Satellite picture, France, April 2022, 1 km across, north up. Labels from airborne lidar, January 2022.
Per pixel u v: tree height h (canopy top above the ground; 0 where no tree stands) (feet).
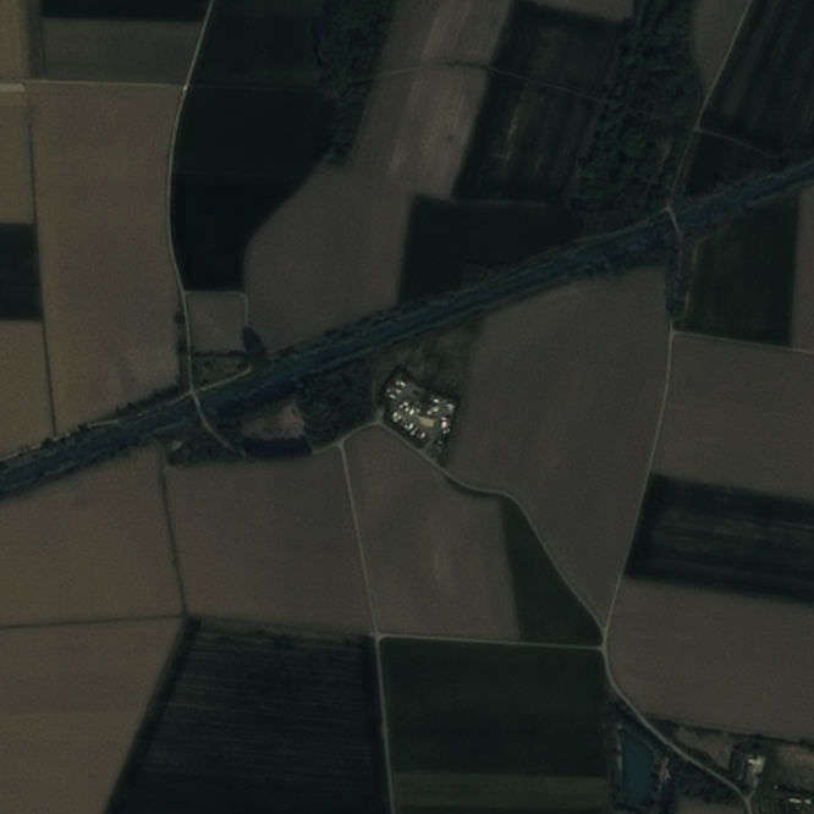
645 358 0
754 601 0
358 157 0
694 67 51
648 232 0
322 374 20
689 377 0
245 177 0
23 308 0
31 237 0
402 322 0
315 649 0
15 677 0
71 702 0
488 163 0
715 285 0
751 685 0
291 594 0
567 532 0
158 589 0
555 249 0
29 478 0
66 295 0
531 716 0
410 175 0
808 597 0
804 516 0
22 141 0
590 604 0
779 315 0
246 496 0
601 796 0
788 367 0
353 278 0
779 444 0
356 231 0
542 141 0
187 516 0
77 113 0
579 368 0
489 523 0
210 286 0
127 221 0
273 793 0
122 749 0
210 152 0
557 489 0
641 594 0
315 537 0
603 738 0
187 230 0
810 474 0
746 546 0
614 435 0
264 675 0
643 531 0
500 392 0
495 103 0
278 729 0
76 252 0
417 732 0
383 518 0
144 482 0
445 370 0
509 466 0
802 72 0
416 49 0
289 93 0
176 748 0
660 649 0
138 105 0
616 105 42
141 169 0
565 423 0
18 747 0
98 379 0
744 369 0
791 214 0
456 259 0
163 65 0
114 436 0
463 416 0
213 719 0
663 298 0
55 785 0
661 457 0
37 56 0
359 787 0
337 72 73
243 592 0
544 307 0
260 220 0
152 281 0
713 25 0
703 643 0
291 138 0
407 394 0
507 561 0
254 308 0
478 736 0
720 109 0
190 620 0
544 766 0
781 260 0
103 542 0
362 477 0
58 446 28
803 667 0
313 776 0
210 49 0
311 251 0
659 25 54
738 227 0
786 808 0
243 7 0
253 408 59
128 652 0
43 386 0
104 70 0
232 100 0
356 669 0
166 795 0
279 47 0
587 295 0
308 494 0
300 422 0
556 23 0
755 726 0
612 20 0
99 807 0
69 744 0
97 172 0
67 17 0
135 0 0
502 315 0
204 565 0
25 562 0
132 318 0
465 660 0
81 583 0
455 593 0
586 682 0
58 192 0
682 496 0
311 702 0
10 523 0
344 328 0
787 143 0
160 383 0
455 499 0
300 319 0
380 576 0
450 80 0
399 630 0
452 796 0
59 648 0
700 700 0
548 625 0
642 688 0
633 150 64
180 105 0
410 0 0
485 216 0
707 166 0
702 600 0
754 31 0
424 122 0
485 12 0
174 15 0
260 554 0
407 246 0
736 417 0
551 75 0
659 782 38
